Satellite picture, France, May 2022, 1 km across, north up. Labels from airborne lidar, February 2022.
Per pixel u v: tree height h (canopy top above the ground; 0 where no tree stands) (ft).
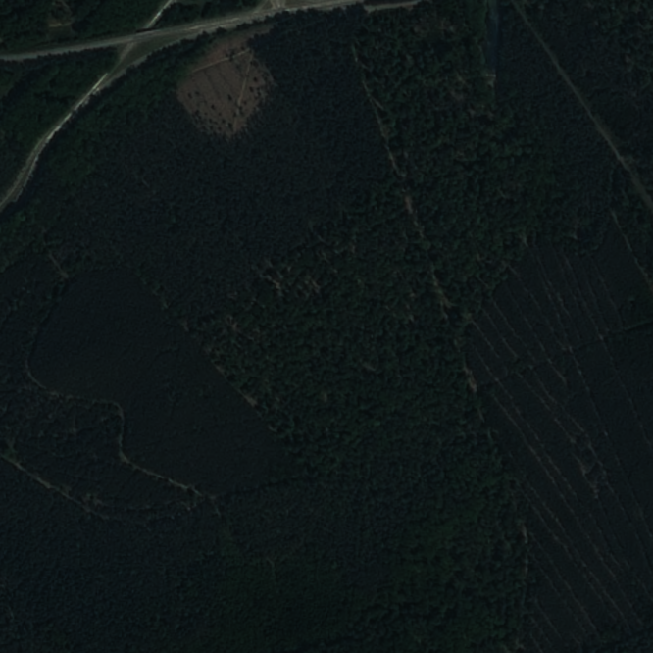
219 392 56
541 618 64
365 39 101
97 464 29
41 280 36
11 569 76
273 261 79
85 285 54
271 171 85
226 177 75
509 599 60
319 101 81
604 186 78
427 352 64
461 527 88
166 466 47
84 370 49
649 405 46
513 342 52
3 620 37
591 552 68
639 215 104
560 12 93
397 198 82
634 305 47
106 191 83
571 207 93
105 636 64
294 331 100
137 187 78
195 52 69
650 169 91
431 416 90
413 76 91
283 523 95
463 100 104
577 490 60
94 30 85
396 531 93
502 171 100
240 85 0
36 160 0
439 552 98
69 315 55
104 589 71
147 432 47
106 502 34
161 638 59
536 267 51
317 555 59
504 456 62
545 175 90
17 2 63
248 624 38
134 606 65
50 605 73
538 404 55
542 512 62
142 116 71
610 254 49
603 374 55
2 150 82
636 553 56
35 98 87
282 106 87
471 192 96
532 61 84
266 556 76
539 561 71
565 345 41
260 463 53
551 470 59
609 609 60
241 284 79
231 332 94
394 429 94
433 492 96
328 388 103
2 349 36
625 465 52
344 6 0
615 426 47
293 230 86
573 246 51
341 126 103
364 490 94
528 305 49
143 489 34
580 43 34
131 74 68
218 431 55
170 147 74
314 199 87
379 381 95
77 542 71
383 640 79
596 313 58
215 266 73
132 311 51
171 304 55
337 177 83
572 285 44
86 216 73
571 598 70
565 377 55
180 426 53
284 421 96
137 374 52
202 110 0
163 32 0
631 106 23
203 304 55
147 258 67
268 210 69
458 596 101
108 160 72
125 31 0
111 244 74
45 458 40
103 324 49
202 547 70
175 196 84
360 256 94
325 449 88
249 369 90
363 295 104
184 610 59
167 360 51
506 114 75
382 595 70
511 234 86
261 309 86
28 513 67
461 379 82
